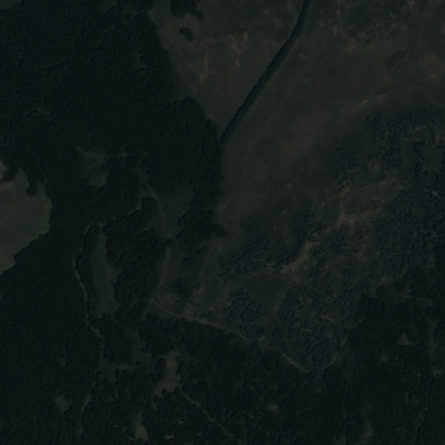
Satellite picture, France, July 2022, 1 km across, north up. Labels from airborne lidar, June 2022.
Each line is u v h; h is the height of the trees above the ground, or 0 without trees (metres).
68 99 15
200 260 0
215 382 10
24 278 17
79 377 9
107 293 0
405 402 16
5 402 16
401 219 11
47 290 17
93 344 16
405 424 14
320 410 8
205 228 11
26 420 19
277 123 0
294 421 11
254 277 0
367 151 0
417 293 12
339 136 0
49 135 17
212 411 12
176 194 0
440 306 11
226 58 0
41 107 17
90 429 10
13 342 13
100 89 18
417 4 0
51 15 16
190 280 0
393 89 0
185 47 0
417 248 9
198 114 18
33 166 14
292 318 12
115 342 17
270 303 0
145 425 14
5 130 14
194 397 15
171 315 0
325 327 9
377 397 11
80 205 14
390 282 0
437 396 14
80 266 17
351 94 0
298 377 10
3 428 7
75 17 16
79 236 13
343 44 0
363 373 10
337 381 9
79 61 15
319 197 0
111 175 9
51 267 15
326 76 0
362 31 0
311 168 0
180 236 12
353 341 10
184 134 18
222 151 15
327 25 0
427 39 0
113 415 13
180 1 17
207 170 10
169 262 0
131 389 10
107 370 0
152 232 12
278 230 0
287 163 0
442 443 14
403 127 10
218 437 18
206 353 10
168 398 11
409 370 13
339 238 6
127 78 19
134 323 14
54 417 10
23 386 16
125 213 14
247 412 12
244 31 0
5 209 0
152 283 9
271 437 11
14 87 19
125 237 13
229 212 0
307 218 9
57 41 18
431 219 11
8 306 14
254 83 0
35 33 13
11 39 16
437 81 0
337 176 8
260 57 0
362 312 10
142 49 16
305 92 0
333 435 13
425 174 15
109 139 15
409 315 10
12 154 16
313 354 11
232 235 0
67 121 15
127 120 18
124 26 9
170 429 11
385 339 11
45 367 15
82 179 13
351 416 9
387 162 8
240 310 12
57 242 14
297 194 0
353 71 0
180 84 0
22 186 0
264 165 0
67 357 8
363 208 0
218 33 0
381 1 0
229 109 0
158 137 18
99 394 14
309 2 12
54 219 13
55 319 15
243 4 0
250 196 0
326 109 0
